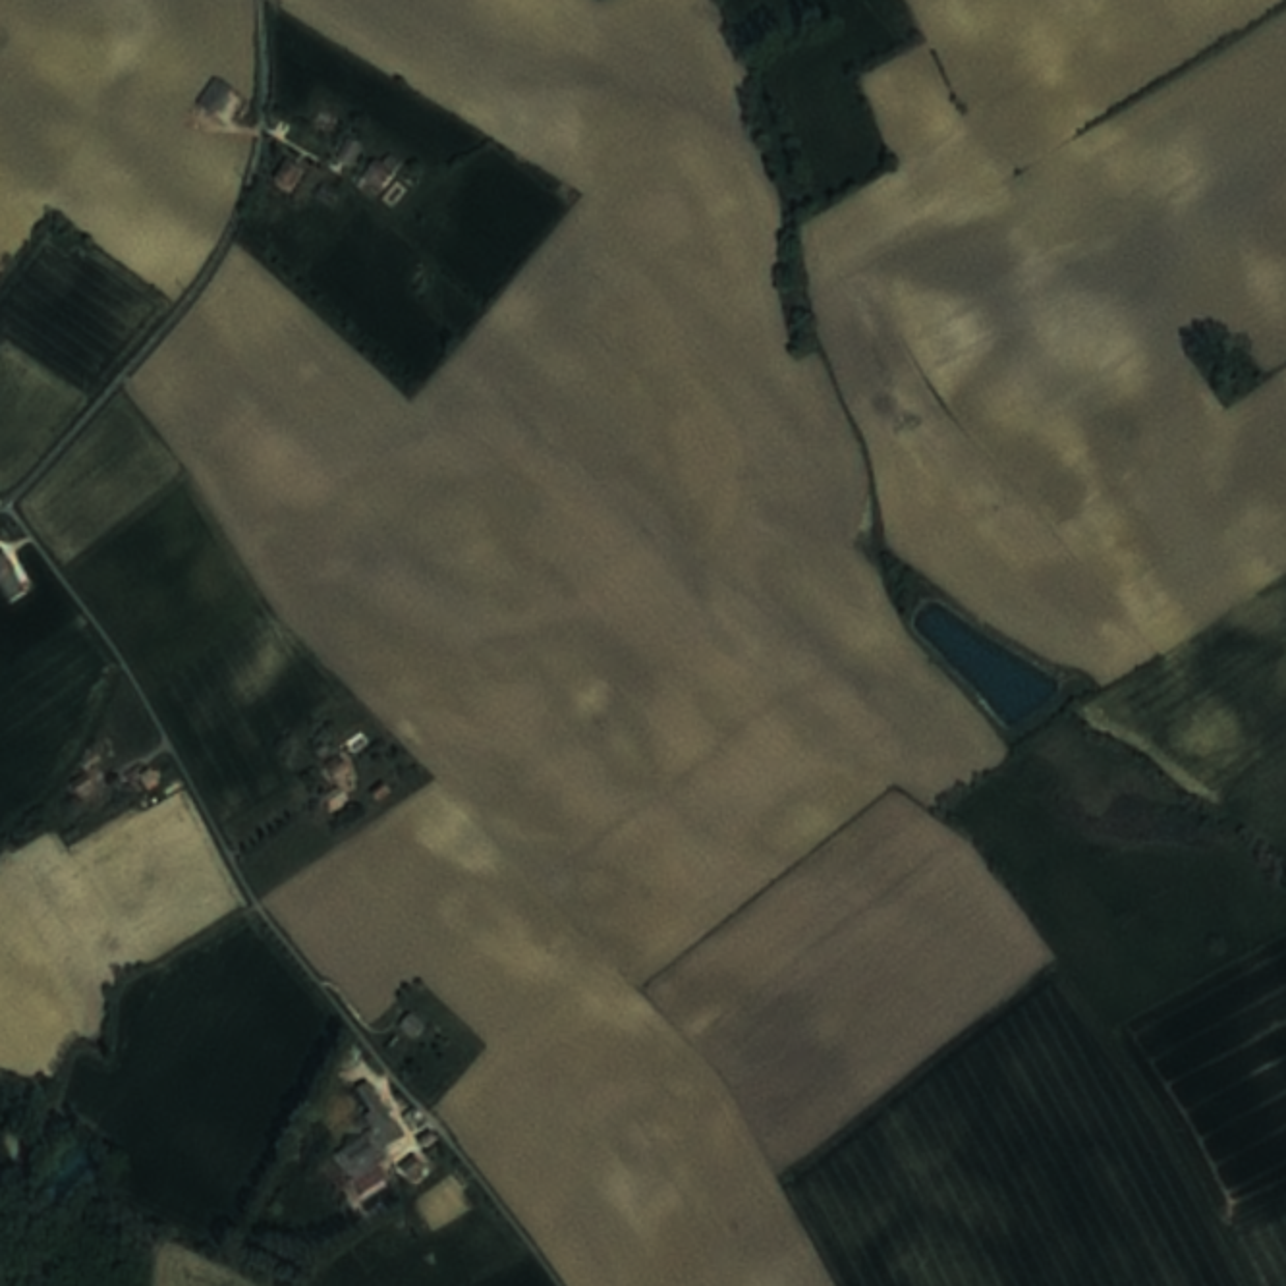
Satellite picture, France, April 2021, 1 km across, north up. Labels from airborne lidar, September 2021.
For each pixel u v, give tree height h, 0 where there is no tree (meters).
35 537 0
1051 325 0
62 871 0
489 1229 0
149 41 0
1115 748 14
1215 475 0
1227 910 0
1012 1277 0
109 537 0
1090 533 0
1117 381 0
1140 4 0
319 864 0
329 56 0
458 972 0
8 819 0
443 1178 0
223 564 0
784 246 13
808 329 15
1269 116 0
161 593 0
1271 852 11
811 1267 0
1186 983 0
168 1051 0
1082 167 0
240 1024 0
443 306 0
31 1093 14
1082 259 0
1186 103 0
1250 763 0
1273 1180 0
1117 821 0
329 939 0
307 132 12
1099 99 0
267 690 0
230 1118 0
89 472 0
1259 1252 0
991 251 0
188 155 0
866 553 0
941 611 0
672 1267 0
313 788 8
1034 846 0
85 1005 0
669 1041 0
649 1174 0
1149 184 0
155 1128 0
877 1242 0
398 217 0
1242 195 0
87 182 0
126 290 0
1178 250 0
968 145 0
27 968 0
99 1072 0
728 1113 0
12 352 0
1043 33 0
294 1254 30
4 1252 24
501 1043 0
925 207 0
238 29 0
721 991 0
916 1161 0
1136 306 0
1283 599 0
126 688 0
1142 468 0
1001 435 0
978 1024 0
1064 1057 0
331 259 0
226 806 0
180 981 0
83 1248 18
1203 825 7
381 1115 0
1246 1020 0
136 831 0
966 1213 0
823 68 0
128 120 0
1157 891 0
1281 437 0
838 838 0
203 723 0
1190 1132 0
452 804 0
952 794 10
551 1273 0
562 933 0
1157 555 0
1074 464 0
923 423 0
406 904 0
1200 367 24
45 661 0
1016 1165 0
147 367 0
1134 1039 0
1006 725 0
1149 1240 0
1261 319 0
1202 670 0
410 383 9
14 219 0
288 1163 23
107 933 0
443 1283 0
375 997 0
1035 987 0
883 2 0
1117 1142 0
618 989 0
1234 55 0
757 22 0
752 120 15
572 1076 0
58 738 0
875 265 0
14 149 0
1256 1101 0
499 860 0
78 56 0
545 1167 0
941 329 0
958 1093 0
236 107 0
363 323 0
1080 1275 0
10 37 0
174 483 0
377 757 8
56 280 0
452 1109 0
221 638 0
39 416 0
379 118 0
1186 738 0
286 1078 0
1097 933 0
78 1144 26
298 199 7
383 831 0
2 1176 13
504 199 0
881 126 0
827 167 0
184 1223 0
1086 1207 0
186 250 0
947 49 0
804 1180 0
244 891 0
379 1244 0
